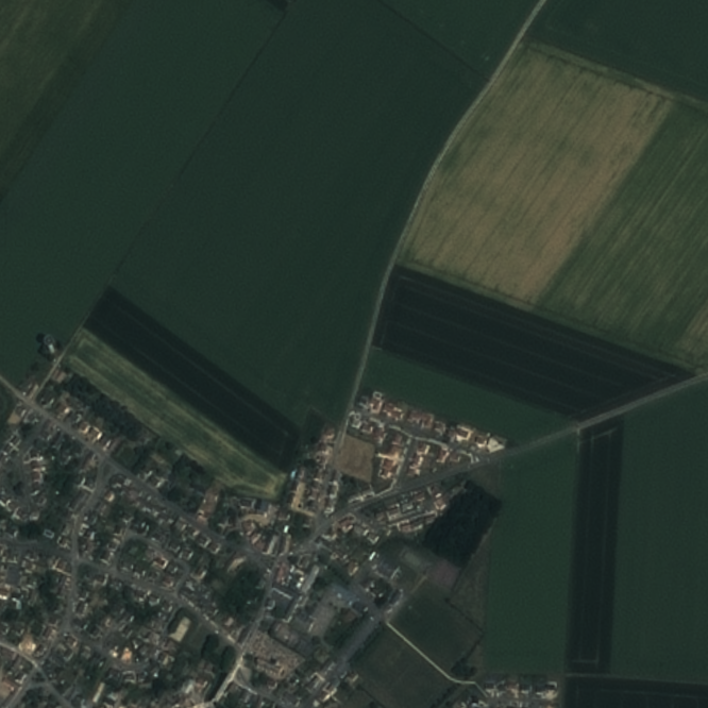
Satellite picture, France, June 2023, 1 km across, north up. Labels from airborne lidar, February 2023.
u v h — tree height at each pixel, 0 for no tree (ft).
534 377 0
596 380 0
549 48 0
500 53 0
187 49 0
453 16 0
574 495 0
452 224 0
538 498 0
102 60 0
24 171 0
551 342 0
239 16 0
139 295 0
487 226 0
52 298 0
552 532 0
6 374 0
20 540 0
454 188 0
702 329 0
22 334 0
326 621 0
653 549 0
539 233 0
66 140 0
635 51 0
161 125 0
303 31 0
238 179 0
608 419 0
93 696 0
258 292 0
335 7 0
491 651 0
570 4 0
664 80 0
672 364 0
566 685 0
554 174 0
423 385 0
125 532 0
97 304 0
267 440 0
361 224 0
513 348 0
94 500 0
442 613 0
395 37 0
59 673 19
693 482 0
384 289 0
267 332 0
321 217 0
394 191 0
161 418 0
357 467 0
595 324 0
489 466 0
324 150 0
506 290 0
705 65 0
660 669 0
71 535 0
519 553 0
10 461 0
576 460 0
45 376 0
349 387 0
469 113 0
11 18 0
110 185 0
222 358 0
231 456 0
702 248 0
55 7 0
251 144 0
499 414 0
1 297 0
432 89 0
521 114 0
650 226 0
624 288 0
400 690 0
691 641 0
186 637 0
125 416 30
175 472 40
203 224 0
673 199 0
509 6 0
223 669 43
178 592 0
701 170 0
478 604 0
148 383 0
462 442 0
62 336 0
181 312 0
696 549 0
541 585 0
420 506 0
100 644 0
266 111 0
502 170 0
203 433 0
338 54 0
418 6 0
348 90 0
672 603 0
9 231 0
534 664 0
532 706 0
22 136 0
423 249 0
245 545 0
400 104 0
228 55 0
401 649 0
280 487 0
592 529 0
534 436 0
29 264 0
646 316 0
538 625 0
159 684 42
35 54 0
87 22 0
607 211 0
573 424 0
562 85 0
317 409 0
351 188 0
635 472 0
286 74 0
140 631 0
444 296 0
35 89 0
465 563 41
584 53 0
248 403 0
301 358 0
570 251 0
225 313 0
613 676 0
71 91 0
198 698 0
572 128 0
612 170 0
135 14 0
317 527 0
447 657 0
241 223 0
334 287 0
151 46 0
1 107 0
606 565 0
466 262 0
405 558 0
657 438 0
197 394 0
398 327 0
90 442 0
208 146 0
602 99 0
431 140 0
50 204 0
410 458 0
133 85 0
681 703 0
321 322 0
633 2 0
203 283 0
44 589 47
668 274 0
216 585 0
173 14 0
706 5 0
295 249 0
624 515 0
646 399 0
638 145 0
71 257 0
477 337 0
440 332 0
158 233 0
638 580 0
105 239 0
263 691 0
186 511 18
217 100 0
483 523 52
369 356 0
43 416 0
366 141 0
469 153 0
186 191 0
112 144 0
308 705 0
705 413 0
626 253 0
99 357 0
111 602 22
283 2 0
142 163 0
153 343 0
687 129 0
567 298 0
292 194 0
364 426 26
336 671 0
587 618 0
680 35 0
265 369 0
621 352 0
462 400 0
